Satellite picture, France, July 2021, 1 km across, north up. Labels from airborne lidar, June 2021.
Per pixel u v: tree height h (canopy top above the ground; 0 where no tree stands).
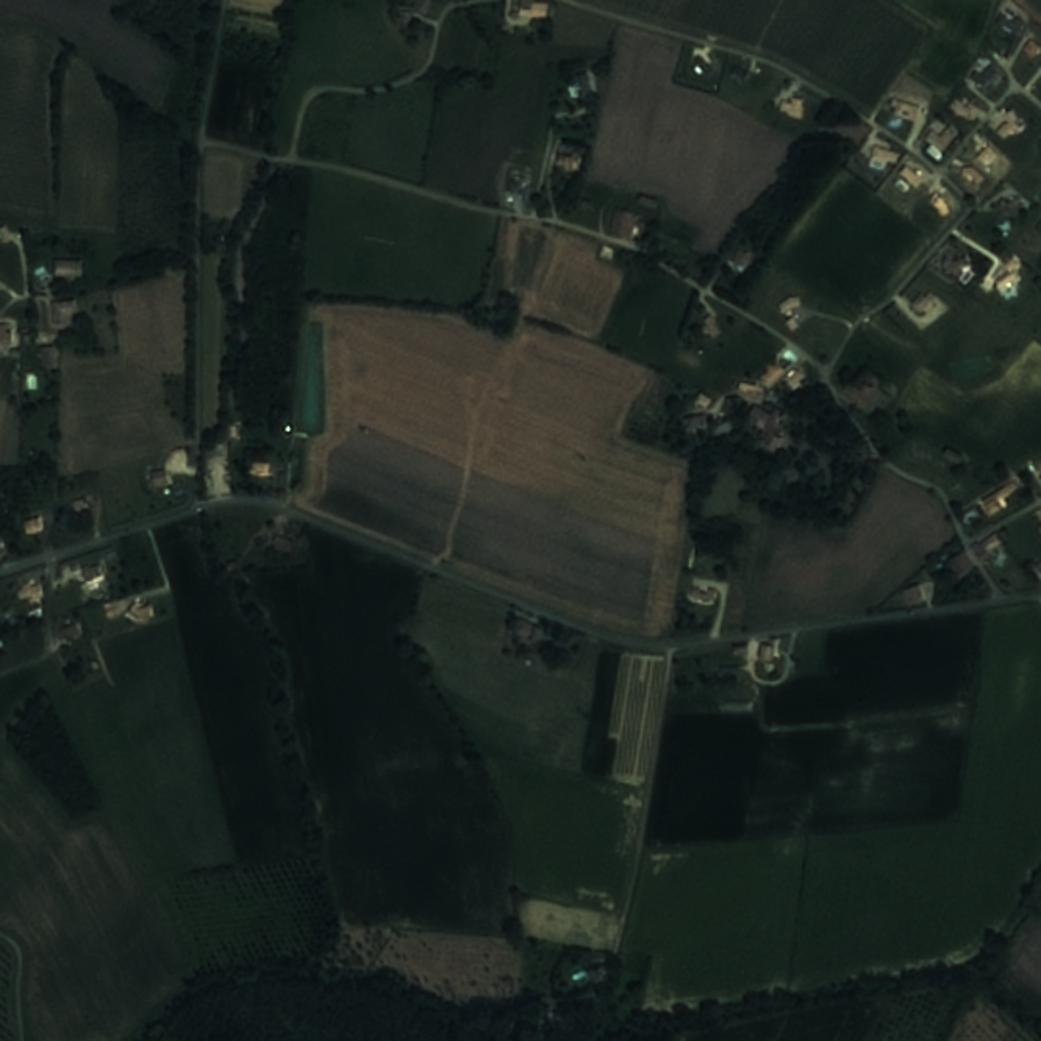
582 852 0
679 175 0
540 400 0
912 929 0
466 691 0
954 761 0
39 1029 0
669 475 0
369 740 0
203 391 0
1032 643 0
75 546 0
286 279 5
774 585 0
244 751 0
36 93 0
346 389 0
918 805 0
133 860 0
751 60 0
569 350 0
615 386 0
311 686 0
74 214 0
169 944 0
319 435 0
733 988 0
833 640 0
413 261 0
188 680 0
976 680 0
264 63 6
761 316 0
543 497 0
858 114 10
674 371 0
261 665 0
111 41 0
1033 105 0
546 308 0
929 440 0
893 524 0
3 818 0
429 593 0
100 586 0
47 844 0
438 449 0
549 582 0
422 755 0
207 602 0
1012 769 0
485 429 0
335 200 0
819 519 19
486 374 0
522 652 8
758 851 0
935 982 24
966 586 8
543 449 0
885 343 0
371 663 0
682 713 0
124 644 0
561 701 0
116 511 0
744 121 0
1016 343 0
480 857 0
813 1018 0
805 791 0
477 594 0
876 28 0
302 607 0
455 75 9
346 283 0
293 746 20
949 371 0
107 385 0
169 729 0
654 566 0
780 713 0
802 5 0
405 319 0
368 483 0
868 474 21
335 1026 31
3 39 0
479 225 0
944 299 0
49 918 0
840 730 0
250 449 6
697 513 11
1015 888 0
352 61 0
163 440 0
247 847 0
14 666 0
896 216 0
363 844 0
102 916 0
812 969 0
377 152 0
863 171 0
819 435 22
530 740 0
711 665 0
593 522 0
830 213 0
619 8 0
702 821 0
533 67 0
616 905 0
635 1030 13
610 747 0
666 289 0
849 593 0
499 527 0
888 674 0
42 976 0
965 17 0
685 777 0
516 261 0
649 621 0
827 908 0
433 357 0
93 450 0
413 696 0
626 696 0
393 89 14
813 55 0
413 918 0
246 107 0
